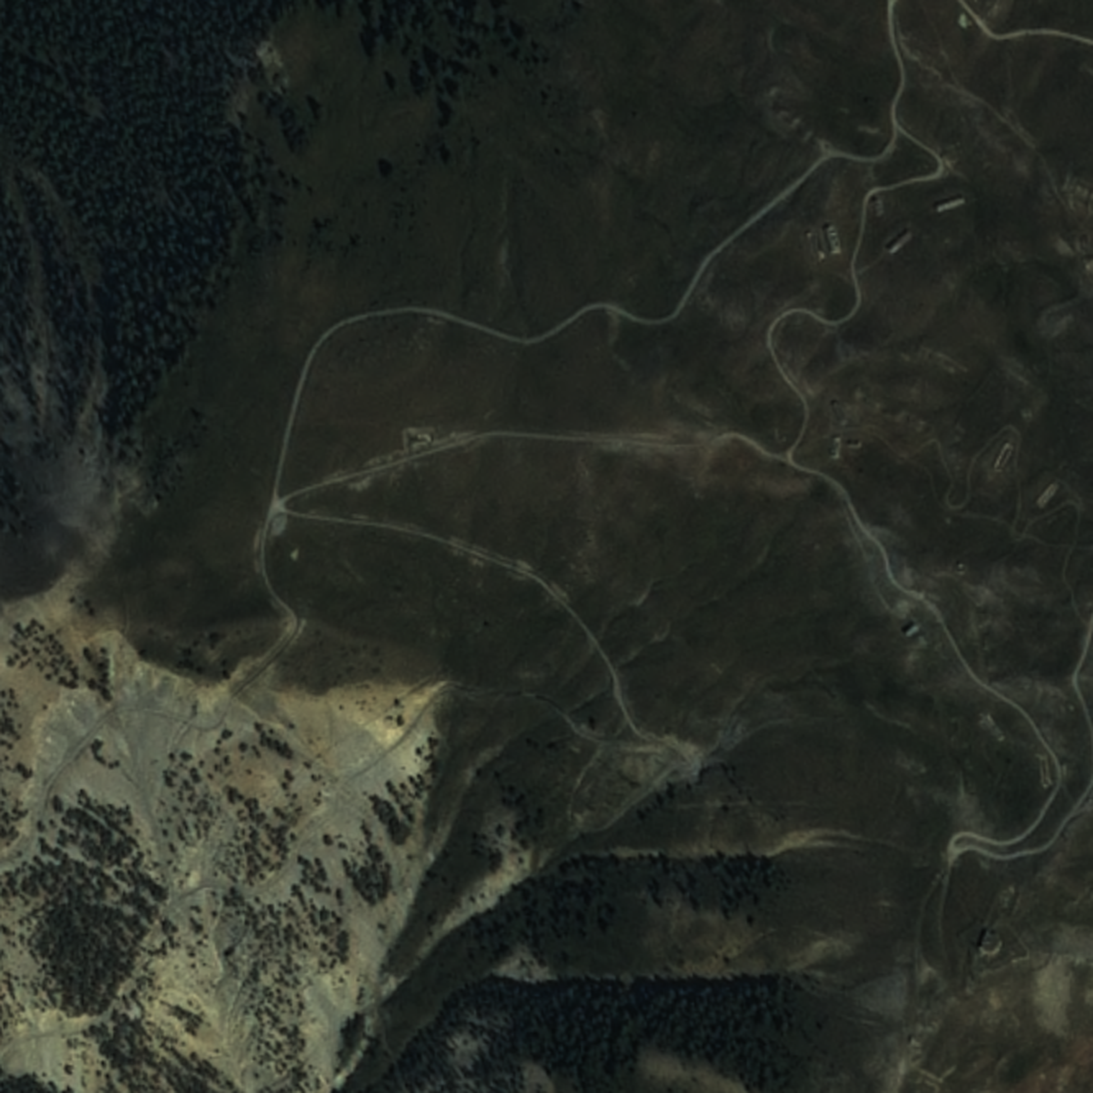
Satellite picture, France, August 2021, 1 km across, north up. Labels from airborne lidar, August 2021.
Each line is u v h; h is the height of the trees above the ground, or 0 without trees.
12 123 14
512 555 0
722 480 0
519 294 0
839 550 0
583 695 0
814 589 0
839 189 0
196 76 9
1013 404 0
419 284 0
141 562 0
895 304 0
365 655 0
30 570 0
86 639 0
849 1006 0
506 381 0
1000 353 0
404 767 0
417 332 0
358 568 0
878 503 0
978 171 0
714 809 0
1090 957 0
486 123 0
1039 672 0
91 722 0
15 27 20
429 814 0
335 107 0
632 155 0
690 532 0
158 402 14
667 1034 13
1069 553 0
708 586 0
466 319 0
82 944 9
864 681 0
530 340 0
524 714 0
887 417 0
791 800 0
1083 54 0
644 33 0
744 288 0
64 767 0
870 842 0
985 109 0
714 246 0
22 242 9
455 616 0
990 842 0
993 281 0
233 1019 0
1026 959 0
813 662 0
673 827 0
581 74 0
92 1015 7
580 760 0
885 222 0
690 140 0
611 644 0
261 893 0
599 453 0
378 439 0
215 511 0
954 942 0
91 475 0
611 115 0
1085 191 0
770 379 0
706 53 0
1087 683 0
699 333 0
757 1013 7
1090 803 0
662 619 0
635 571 0
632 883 0
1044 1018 0
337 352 0
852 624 0
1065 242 0
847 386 0
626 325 0
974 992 0
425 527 0
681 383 0
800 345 0
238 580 0
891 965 0
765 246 0
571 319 0
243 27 9
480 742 0
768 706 0
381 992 0
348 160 0
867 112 0
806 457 0
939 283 0
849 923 0
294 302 0
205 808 6
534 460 0
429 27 16
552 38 0
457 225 0
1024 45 0
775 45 0
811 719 0
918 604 0
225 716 0
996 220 0
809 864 0
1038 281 0
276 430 0
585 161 0
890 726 0
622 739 0
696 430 0
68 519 0
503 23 12
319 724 0
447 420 0
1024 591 0
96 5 13
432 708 0
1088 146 0
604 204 0
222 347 0
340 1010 0
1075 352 0
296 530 0
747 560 0
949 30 0
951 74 0
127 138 18
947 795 0
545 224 0
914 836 0
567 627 0
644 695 0
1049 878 0
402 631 0
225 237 11
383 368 0
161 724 0
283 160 0
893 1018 0
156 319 17
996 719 0
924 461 0
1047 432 0
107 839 9
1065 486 0
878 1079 0
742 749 0
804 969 0
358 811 0
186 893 0
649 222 0
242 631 0
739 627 0
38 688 0
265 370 0
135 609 0
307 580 0
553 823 0
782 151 0
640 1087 0
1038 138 0
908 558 0
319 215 0
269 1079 0
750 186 0
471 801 0
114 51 13
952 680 0
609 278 0
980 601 0
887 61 0
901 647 0
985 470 0
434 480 0
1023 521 0
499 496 0
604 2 0
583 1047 14
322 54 0
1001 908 0
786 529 0
